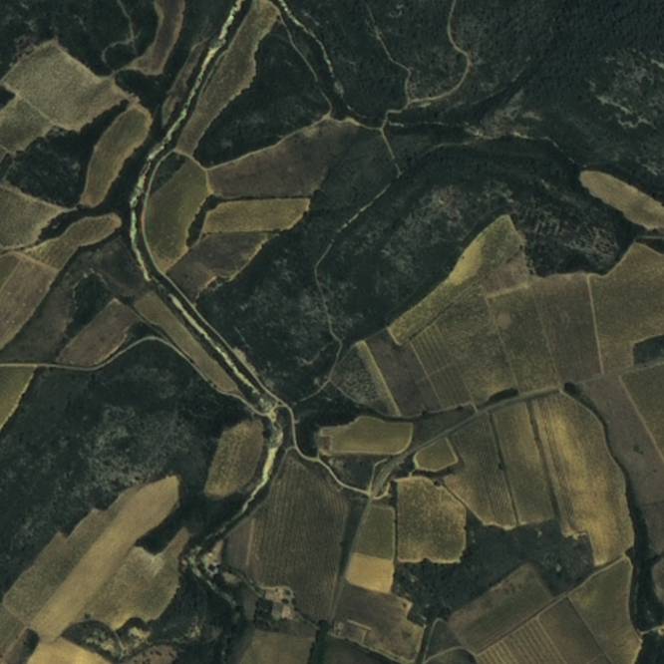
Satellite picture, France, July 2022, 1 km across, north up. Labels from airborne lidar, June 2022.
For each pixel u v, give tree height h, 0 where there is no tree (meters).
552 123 6
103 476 0
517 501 0
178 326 0
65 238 0
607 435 0
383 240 0
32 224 0
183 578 8
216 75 0
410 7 9
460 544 0
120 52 7
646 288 0
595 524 0
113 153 0
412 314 0
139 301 0
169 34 0
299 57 5
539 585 0
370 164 0
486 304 0
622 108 0
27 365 0
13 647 0
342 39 11
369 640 0
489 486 0
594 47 7
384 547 0
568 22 13
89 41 9
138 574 0
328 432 0
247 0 6
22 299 0
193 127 0
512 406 0
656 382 0
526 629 0
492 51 9
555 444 0
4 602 0
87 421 0
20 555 7
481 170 9
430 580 7
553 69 8
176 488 0
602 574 0
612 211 6
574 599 0
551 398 0
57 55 0
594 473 0
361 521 0
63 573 0
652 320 0
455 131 6
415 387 0
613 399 0
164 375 0
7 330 0
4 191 0
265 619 10
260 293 0
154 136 7
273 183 0
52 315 0
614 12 10
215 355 6
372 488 0
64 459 0
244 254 0
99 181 0
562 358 0
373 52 6
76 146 8
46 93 0
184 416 6
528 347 0
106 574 0
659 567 0
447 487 0
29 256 0
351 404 8
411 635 0
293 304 0
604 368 0
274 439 0
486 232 0
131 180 6
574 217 8
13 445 0
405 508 0
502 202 7
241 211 0
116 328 0
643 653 9
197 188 0
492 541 0
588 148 6
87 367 0
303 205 0
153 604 0
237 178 0
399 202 0
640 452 0
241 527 0
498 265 0
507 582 0
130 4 5
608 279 0
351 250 0
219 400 7
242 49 0
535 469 0
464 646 0
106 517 0
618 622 0
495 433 0
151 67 0
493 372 0
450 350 0
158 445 0
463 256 0
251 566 0
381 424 0
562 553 0
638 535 6
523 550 0
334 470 5
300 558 0
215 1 0
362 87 6
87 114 0
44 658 0
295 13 6
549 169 10
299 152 0
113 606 0
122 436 0
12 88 0
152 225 0
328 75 10
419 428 0
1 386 0
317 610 0
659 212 0
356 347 0
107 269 0
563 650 0
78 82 0
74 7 7
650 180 8
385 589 0
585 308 0
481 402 0
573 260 6
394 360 0
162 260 0
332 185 0
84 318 8
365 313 6
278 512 0
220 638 9
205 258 0
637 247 0
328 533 0
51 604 0
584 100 12
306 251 6
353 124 0
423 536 0
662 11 9
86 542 0
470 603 0
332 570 0
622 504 0
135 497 0
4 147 0
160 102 8
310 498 0
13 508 0
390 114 6
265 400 0
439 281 0
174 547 0
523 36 12
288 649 0
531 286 0
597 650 0
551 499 0
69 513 0
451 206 0
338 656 0
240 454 0
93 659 0
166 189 0
